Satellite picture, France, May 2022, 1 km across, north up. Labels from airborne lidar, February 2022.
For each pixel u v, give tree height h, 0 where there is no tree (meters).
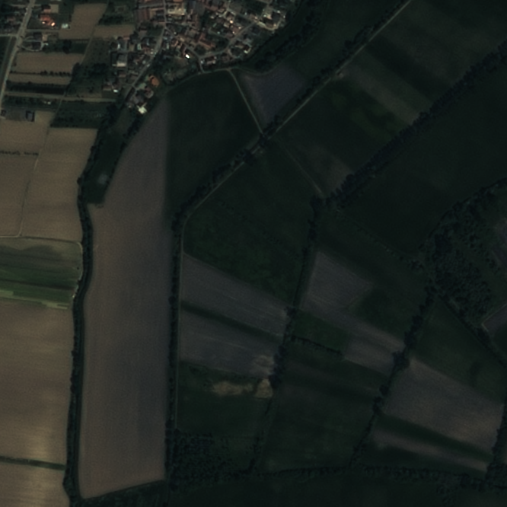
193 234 0
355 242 0
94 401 0
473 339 0
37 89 0
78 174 0
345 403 0
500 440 12
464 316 19
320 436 0
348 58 17
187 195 0
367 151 0
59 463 0
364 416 0
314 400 0
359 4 0
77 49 0
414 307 0
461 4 0
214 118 0
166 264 0
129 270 0
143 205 0
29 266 0
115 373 0
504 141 0
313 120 0
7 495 0
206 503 0
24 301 0
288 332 9
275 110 0
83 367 0
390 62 0
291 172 0
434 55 0
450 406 0
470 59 0
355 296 0
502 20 0
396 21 0
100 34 0
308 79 0
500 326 0
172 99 0
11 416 0
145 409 0
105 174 0
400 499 0
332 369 0
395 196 0
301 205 0
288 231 0
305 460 0
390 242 0
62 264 0
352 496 0
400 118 0
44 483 0
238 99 0
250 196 0
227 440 0
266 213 0
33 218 0
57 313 0
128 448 0
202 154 0
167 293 0
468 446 0
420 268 16
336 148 0
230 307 0
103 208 0
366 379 0
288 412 0
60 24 0
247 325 0
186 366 0
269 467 0
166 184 0
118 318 0
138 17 0
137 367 0
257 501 0
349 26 0
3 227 0
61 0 0
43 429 0
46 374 0
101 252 0
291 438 0
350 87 0
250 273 0
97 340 0
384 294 0
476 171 0
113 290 0
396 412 0
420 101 0
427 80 0
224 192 0
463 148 0
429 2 0
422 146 0
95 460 0
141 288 0
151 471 0
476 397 0
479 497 0
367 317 0
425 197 0
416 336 13
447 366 0
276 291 0
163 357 0
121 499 0
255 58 0
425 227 0
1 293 0
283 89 0
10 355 0
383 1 0
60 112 0
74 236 0
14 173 0
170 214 0
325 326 0
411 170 0
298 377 0
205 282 0
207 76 0
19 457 0
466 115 0
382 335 0
